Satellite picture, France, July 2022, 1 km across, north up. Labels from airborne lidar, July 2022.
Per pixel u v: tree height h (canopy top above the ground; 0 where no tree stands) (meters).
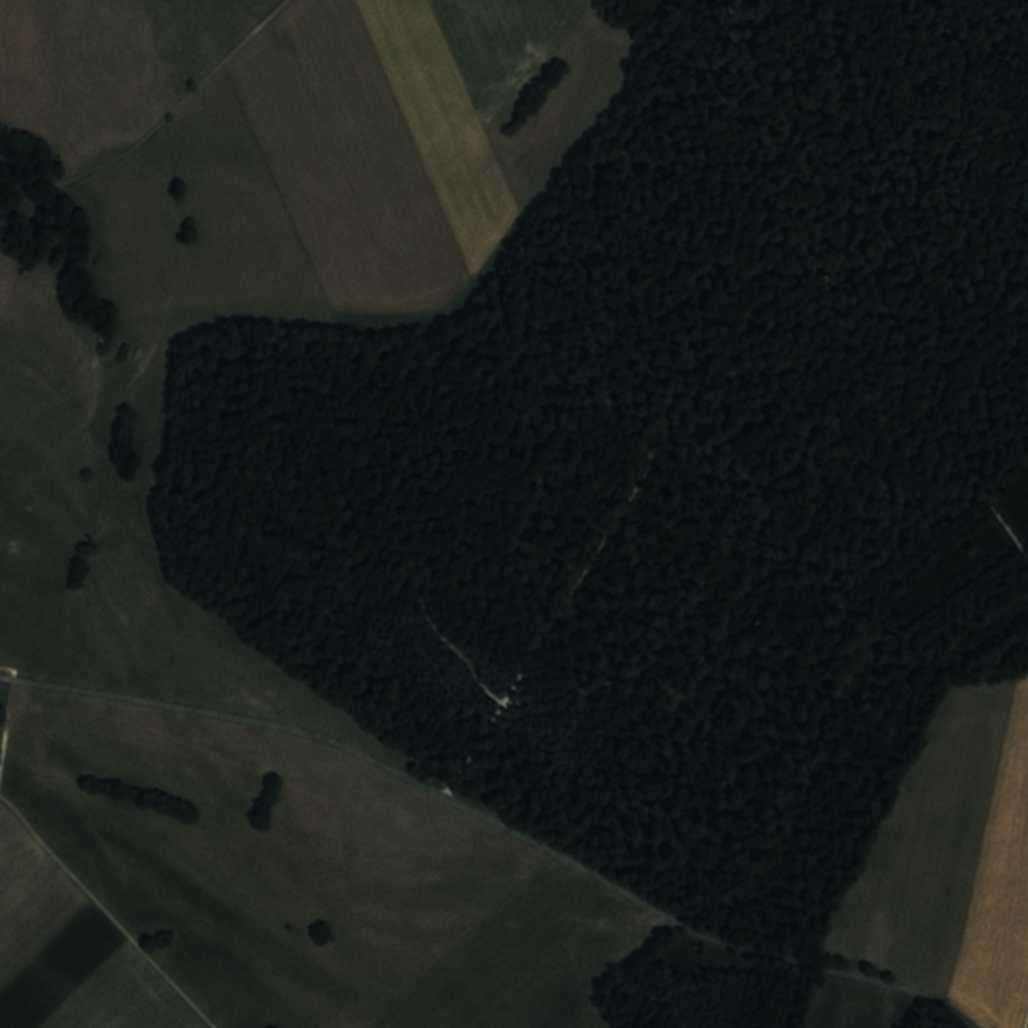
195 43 0
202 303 0
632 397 27
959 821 0
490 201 0
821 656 31
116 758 0
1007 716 0
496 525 33
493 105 0
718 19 27
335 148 0
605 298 31
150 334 0
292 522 23
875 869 0
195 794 0
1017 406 30
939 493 29
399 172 0
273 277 0
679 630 22
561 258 30
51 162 15
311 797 0
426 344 24
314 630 24
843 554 28
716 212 29
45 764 0
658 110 30
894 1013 0
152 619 0
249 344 22
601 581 9
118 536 0
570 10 0
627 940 0
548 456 36
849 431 31
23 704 0
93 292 14
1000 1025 0
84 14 0
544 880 0
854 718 27
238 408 25
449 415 31
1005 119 30
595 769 6
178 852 0
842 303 28
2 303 0
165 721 0
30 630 0
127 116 0
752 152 26
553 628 9
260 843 0
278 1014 0
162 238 0
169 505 21
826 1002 0
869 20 32
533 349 31
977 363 30
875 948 0
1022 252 22
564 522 33
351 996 0
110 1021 0
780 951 24
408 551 23
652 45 27
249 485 29
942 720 0
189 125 0
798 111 30
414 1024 0
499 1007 0
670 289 30
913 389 25
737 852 29
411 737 19
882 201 32
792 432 29
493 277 10
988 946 0
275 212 0
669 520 29
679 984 23
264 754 0
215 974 0
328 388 24
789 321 35
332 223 0
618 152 31
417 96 0
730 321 32
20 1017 0
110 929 0
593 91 0
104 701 0
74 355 0
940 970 0
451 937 0
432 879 0
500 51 0
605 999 27
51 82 0
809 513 28
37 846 0
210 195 0
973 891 0
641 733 26
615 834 28
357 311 0
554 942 0
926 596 9
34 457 0
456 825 0
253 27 0
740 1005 22
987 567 11
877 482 27
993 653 27
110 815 0
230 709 0
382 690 22
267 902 0
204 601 14
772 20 10
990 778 0
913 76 32
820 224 32
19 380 0
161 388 0
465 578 27
